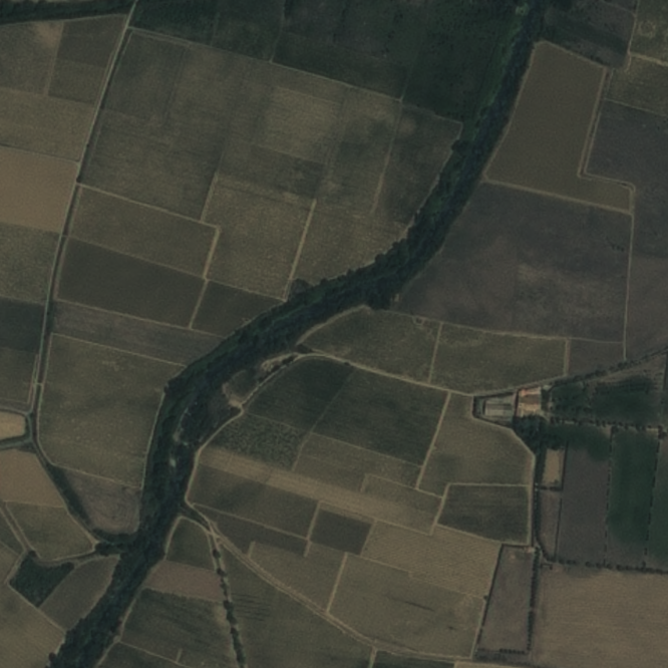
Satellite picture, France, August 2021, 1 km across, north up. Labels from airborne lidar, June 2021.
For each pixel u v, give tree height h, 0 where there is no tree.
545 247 0
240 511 0
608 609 0
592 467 0
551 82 0
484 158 15
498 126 12
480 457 0
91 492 0
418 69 0
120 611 13
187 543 0
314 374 0
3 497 0
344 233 0
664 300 0
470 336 0
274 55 0
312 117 0
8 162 0
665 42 0
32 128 0
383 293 17
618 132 0
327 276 0
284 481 0
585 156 0
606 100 0
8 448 0
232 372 11
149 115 0
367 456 0
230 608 14
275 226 0
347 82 0
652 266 0
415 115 0
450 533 0
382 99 0
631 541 0
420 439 0
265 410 0
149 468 6
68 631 0
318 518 0
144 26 7
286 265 0
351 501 0
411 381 0
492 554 0
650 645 0
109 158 0
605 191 0
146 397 0
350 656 0
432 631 0
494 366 0
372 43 0
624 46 0
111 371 0
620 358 0
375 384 0
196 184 0
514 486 0
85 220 0
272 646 0
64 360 0
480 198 0
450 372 0
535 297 0
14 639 0
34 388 0
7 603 0
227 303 0
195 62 0
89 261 0
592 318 0
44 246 0
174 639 0
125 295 0
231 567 0
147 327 0
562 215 0
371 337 0
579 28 0
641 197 0
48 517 0
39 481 0
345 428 0
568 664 0
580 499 0
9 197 0
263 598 0
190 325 0
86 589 0
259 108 0
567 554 0
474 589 0
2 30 0
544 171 0
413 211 0
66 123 0
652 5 0
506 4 19
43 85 0
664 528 0
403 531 0
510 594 0
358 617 0
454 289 0
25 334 0
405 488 0
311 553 0
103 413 0
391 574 0
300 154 0
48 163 0
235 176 0
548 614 0
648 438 0
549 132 0
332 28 0
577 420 5
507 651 6
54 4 7
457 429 0
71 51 0
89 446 0
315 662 0
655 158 0
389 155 0
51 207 0
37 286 0
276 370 7
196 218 0
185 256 0
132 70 0
